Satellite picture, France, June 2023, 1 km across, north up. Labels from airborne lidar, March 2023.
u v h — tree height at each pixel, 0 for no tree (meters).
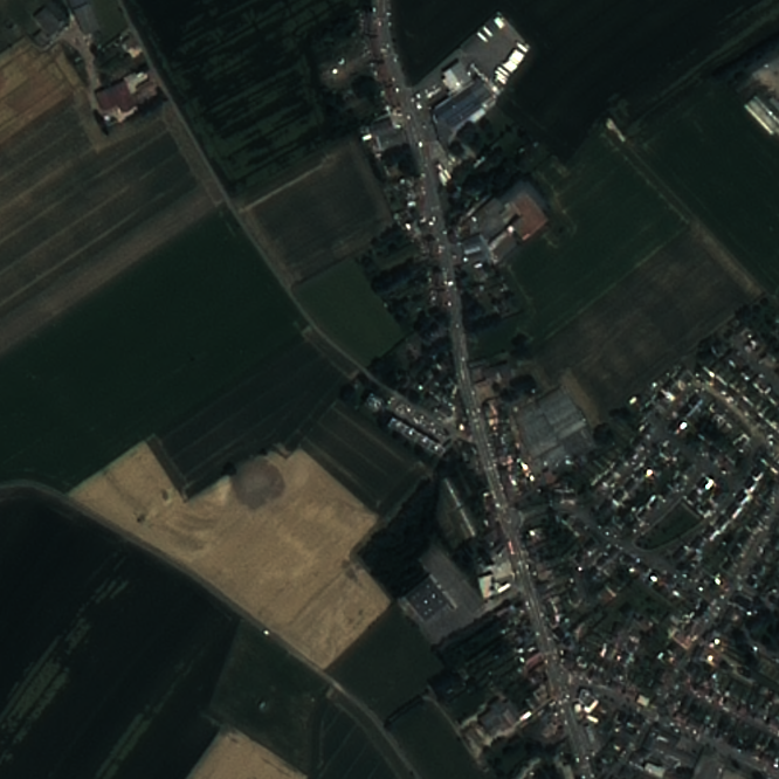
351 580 0
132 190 0
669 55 0
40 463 0
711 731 0
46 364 0
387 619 0
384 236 7
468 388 0
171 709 0
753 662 14
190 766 0
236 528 0
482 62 0
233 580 0
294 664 0
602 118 0
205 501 0
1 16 0
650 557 0
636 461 0
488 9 0
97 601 0
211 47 0
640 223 0
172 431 0
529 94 0
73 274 0
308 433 0
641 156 0
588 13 0
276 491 0
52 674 0
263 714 0
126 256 0
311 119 0
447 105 0
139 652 0
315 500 0
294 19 0
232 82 0
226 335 0
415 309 0
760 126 0
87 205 0
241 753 0
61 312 0
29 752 0
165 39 0
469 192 15
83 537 0
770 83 0
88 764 0
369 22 0
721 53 0
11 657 0
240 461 0
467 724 0
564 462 0
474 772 0
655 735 0
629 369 0
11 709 0
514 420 0
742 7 0
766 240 0
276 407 0
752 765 0
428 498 12
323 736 0
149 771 0
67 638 0
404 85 0
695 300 0
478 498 7
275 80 0
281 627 0
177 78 0
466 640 10
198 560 0
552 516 11
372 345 0
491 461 0
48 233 0
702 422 10
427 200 0
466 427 0
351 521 0
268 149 0
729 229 0
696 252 0
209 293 0
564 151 0
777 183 0
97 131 0
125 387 0
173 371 0
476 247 0
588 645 0
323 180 0
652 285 0
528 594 0
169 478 0
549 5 0
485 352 0
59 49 0
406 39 0
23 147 0
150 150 0
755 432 0
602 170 0
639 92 0
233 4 0
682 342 0
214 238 0
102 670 0
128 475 0
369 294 0
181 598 0
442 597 0
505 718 0
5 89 0
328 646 0
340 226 0
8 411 0
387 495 0
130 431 0
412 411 0
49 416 0
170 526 0
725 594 0
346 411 0
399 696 0
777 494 0
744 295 0
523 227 0
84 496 0
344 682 0
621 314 0
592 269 0
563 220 0
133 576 0
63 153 0
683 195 0
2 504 0
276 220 0
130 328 0
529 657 0
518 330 0
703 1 0
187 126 0
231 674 0
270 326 0
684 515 0
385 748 0
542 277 0
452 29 0
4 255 0
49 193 0
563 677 0
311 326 0
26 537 0
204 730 0
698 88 0
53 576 0
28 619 0
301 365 0
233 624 0
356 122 8
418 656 0
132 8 0
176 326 0
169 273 0
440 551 0
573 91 0
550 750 11
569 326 0
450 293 0
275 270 0
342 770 0
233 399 0
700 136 0
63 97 0
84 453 0
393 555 7
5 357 0
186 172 0
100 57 9
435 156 0
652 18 0
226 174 0
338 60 0
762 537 0
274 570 0
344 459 0
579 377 0
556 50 0
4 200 0
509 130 11
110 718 0
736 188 0
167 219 0
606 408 0
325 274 0
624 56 0
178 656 0
